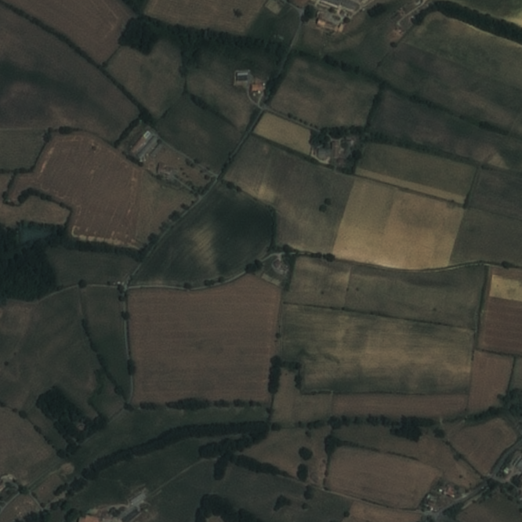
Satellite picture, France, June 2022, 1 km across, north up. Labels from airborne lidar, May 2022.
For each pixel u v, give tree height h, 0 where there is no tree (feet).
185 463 0
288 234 0
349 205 0
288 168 0
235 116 0
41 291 19
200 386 0
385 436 0
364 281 0
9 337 0
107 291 0
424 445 0
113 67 0
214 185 0
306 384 0
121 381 0
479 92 0
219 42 35
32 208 0
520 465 0
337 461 0
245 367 0
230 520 54
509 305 0
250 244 0
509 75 0
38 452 0
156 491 0
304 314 0
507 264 43
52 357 0
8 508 0
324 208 31
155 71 0
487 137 0
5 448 0
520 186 0
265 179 0
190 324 0
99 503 0
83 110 0
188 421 0
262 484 0
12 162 0
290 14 0
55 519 0
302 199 0
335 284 0
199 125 0
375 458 0
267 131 0
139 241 0
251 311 0
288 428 0
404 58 0
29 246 44
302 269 0
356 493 0
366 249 0
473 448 0
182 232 0
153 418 0
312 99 0
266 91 33
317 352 0
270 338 0
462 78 0
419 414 0
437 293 0
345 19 27
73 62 0
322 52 0
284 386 0
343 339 0
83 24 0
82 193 0
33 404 0
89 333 31
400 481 0
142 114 26
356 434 0
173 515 0
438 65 0
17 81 0
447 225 0
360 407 0
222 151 0
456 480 0
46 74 0
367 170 0
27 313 0
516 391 25
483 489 22
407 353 0
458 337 0
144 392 0
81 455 0
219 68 0
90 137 0
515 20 0
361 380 0
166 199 0
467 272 0
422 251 0
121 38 32
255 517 38
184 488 0
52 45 0
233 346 0
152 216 0
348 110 0
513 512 0
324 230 0
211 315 0
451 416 0
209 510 57
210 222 0
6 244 113
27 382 0
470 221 0
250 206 0
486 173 0
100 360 34
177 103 0
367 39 0
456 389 0
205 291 0
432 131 0
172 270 0
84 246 71
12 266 55
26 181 0
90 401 21
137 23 67
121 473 0
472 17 43
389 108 0
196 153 0
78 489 89
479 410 0
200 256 0
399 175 0
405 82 0
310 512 0
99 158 0
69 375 0
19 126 0
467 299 0
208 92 0
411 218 0
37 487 0
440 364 0
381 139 26
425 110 0
